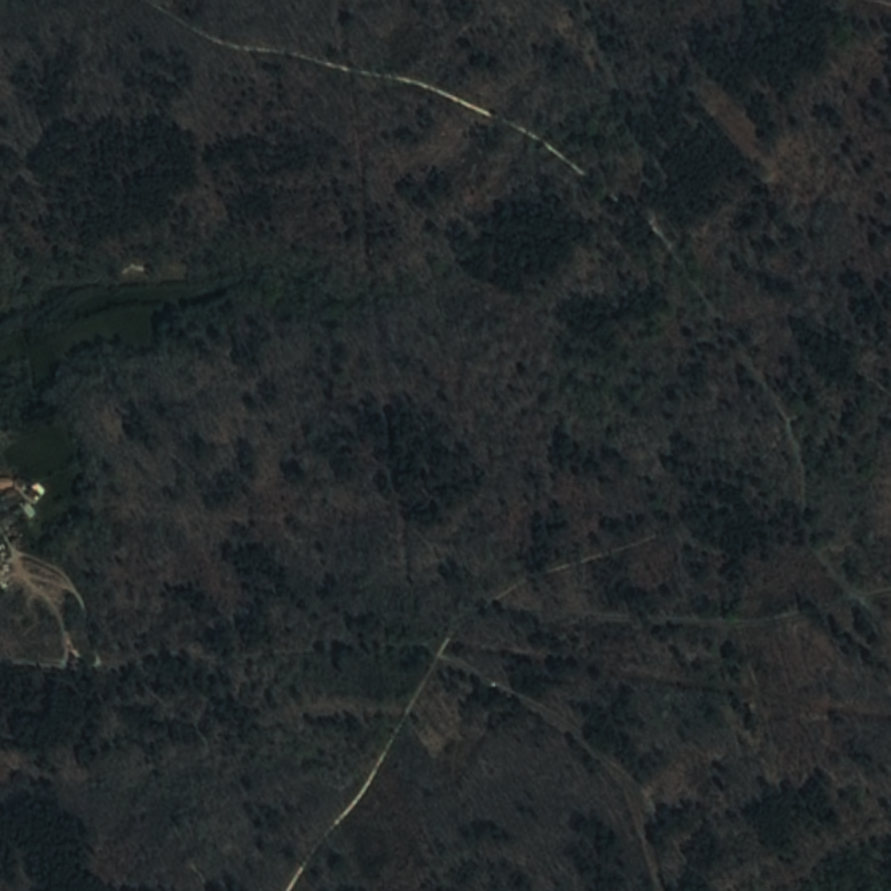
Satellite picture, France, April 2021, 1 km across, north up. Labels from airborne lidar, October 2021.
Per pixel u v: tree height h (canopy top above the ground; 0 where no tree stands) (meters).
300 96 8
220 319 25
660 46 8
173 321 20
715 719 26
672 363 15
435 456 14
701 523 22
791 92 21
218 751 7
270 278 25
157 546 22
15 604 6
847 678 15
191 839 8
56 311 14
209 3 17
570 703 12
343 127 14
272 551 7
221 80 13
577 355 12
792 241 23
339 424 15
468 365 13
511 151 7
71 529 18
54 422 9
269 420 16
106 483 17
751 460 12
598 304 15
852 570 15
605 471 10
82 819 13
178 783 13
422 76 9
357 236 18
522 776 17
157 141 21
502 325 16
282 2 17
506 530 19
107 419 20
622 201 9
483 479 16
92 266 19
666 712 19
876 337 7
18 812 21
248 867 15
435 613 9
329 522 10
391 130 13
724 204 9
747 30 14
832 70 13
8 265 14
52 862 22
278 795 16
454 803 15
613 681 15
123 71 18
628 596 10
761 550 8
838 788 12
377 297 17
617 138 12
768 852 21
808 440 8
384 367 10
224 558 6
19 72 18
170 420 27
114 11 13
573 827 16
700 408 13
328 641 12
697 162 20
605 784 14
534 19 12
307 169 15
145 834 7
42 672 11
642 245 10
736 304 8
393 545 17
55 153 24
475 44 10
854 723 14
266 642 24
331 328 17
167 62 18
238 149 16
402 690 12
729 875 9
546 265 22
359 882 12
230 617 17
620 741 24
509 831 14
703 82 7
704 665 8
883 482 14
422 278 20
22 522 8
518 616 16
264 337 24
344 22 10
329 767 17
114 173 14
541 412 7
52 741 26
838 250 7
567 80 10
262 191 10
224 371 18
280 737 16
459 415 10
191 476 21
